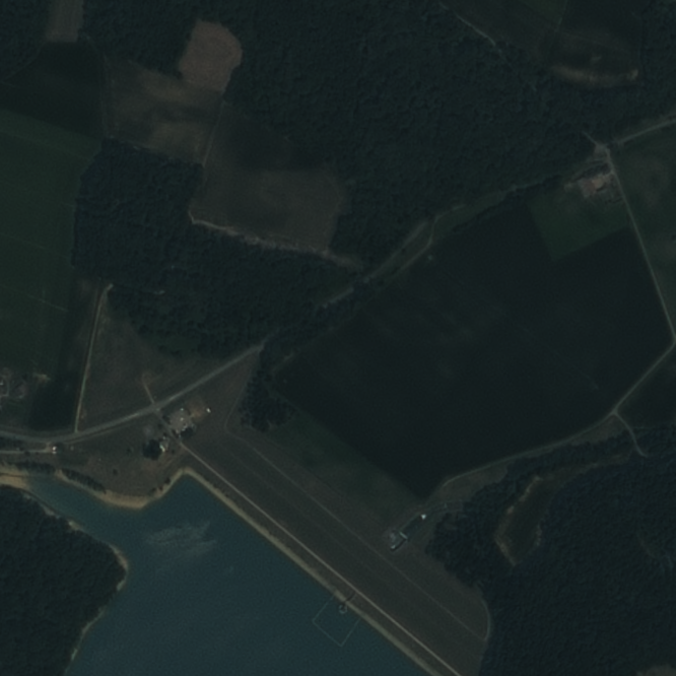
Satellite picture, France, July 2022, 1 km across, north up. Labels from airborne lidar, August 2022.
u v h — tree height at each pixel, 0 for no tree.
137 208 22
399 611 0
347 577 0
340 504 0
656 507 14
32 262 0
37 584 26
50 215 0
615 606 26
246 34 21
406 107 11
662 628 27
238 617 0
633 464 14
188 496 0
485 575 18
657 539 11
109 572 21
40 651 28
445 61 22
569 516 28
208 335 11
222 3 23
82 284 0
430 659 0
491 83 27
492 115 21
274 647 0
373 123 23
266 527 0
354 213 9
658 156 0
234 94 14
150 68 12
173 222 21
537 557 18
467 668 0
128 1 22
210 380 0
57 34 0
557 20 0
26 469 14
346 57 19
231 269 17
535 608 25
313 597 0
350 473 0
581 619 25
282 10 18
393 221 7
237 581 0
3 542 21
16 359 0
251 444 0
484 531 18
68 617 24
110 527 0
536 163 28
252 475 0
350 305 17
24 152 0
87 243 26
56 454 0
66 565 20
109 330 0
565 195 0
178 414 0
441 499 0
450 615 0
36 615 22
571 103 32
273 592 0
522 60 22
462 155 20
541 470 18
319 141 14
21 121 0
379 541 0
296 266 19
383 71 26
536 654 24
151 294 12
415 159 24
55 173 0
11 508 23
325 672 0
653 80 21
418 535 0
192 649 0
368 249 17
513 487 21
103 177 25
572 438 0
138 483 0
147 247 29
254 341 18
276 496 0
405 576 0
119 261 25
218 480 0
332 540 0
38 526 11
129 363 0
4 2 31
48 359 0
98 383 0
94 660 0
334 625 0
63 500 0
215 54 0
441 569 0
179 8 21
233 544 0
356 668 0
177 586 0
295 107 17
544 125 28
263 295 27
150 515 0
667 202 0
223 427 0
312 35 16
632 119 13
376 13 23
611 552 24
